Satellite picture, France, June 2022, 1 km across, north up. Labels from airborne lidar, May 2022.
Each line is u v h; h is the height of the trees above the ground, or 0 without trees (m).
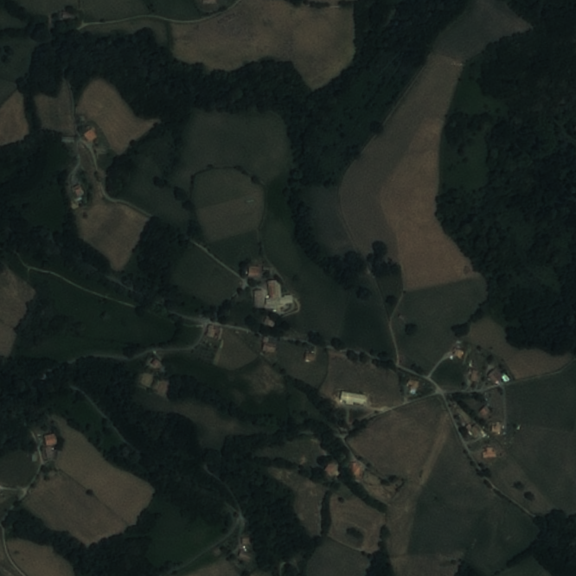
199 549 0
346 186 0
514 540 0
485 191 10
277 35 0
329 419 10
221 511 14
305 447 0
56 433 14
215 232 0
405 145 0
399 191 0
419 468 0
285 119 9
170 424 26
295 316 0
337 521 0
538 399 0
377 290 0
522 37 14
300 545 20
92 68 17
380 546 8
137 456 19
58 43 16
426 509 0
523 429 0
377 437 0
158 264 12
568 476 0
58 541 10
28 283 0
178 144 7
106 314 9
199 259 0
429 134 0
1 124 0
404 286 0
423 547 0
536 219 14
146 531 13
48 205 0
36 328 8
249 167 0
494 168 8
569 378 0
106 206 0
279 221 0
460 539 0
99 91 0
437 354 0
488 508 0
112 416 11
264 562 17
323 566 0
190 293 0
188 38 0
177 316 9
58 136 9
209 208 0
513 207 12
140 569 17
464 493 0
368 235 0
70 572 0
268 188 0
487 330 0
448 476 0
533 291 12
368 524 0
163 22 0
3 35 15
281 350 0
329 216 0
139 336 0
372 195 0
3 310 0
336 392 0
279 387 0
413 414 0
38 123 14
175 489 13
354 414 0
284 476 0
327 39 0
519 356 0
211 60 0
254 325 13
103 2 0
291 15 0
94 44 25
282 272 0
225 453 16
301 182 14
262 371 0
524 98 22
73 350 0
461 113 12
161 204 0
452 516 0
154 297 17
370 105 7
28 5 0
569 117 30
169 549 0
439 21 14
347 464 14
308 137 17
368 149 0
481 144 0
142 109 18
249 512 9
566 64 26
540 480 0
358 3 12
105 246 0
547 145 34
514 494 0
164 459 13
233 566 0
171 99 17
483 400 6
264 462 12
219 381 0
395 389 0
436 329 0
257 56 0
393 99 7
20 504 8
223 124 0
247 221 0
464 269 0
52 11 0
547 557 13
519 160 37
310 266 0
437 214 9
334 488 10
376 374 0
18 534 10
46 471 12
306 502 0
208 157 0
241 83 26
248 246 0
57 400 0
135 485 0
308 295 0
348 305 0
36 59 15
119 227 0
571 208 31
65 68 9
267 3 0
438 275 0
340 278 12
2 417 24
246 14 0
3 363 14
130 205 0
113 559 19
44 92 17
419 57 11
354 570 0
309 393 13
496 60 7
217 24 0
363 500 11
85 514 0
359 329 0
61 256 16
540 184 23
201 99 15
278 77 25
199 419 0
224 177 0
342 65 0
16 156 18
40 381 22
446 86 0
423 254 0
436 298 0
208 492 16
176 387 13
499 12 0
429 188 0
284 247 0
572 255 7
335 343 15
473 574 11
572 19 19
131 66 22
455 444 0
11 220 21
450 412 0
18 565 0
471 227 22
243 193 0
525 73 17
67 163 0
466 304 0
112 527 0
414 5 25
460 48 0
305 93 21
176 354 0
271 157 0
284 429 7
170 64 26
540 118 35
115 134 0
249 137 0
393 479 16
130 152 8
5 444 20
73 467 0
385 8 19
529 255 10
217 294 0
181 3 0
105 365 11
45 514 0
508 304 11
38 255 11
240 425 0
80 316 0
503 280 18
